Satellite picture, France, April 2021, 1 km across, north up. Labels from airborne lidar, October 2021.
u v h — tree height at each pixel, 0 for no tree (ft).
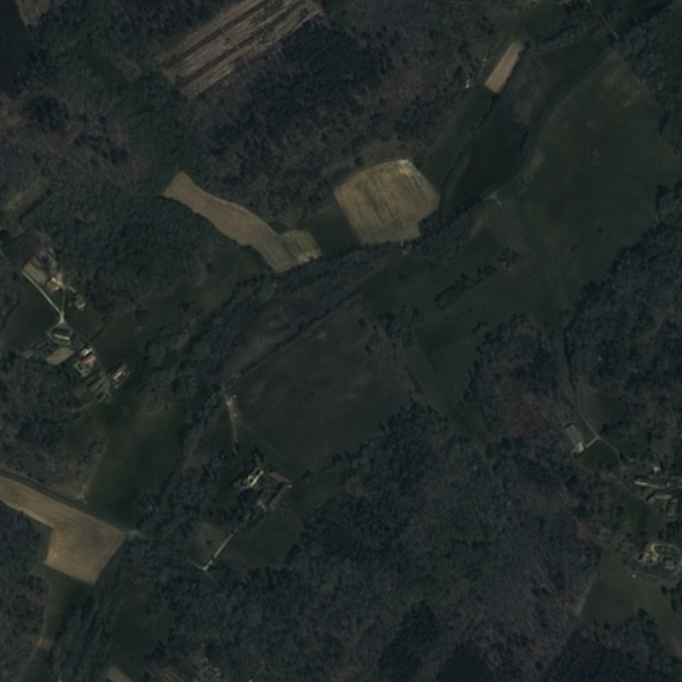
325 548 57
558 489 76
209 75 0
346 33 62
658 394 82
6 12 18
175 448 0
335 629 46
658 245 82
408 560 86
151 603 0
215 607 61
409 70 59
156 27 67
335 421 0
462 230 61
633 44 50
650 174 0
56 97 38
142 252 70
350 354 0
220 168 34
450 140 0
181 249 62
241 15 19
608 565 0
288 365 0
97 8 71
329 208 41
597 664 48
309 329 26
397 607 50
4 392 66
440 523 64
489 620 22
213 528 0
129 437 0
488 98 0
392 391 0
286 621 74
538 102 0
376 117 25
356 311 0
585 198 0
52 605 0
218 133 36
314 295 0
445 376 0
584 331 92
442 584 46
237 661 72
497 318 0
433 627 29
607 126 0
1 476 0
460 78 58
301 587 76
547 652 39
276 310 0
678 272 58
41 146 64
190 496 36
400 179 0
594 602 0
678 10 72
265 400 0
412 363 0
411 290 0
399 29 47
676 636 0
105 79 40
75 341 37
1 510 26
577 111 0
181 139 61
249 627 69
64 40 78
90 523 0
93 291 55
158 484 0
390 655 30
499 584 53
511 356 49
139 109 43
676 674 66
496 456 42
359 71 70
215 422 24
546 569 58
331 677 87
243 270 0
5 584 51
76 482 48
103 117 41
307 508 0
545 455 30
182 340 62
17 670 87
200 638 58
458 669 40
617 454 0
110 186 67
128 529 0
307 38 64
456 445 65
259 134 77
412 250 43
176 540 0
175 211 59
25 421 56
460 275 0
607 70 0
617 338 79
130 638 0
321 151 27
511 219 0
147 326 54
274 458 0
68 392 62
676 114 55
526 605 42
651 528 0
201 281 62
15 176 55
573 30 36
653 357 33
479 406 72
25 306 0
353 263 45
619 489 0
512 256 22
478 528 64
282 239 0
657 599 0
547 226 0
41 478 49
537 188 0
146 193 72
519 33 0
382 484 28
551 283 0
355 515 46
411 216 0
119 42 49
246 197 53
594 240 0
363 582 44
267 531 0
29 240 24
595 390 51
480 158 0
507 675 29
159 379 71
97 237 45
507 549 57
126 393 0
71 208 57
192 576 22
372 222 0
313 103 68
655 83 60
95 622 64
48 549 0
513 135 0
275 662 80
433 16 63
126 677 0
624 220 0
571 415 37
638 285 72
